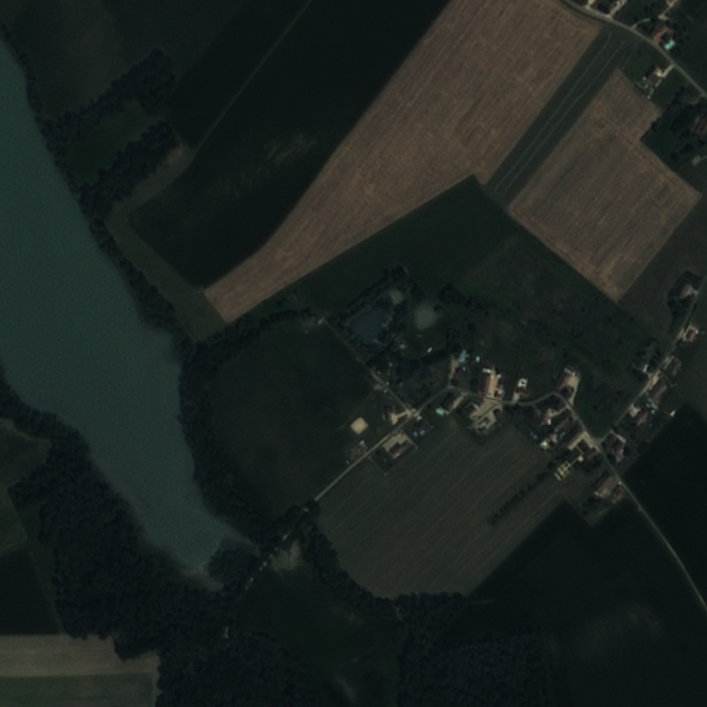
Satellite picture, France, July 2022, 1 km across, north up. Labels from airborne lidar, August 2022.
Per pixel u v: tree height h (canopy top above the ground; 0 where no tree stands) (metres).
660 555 0
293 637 0
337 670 0
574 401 0
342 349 0
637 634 0
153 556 7
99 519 29
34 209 0
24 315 0
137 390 0
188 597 18
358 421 0
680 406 0
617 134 0
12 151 0
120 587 26
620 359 0
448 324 0
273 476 0
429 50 0
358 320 0
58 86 0
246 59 0
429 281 0
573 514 0
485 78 0
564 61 0
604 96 0
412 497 0
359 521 0
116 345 0
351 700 0
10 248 0
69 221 0
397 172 0
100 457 0
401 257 0
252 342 17
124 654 14
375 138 0
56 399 0
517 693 20
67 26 0
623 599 0
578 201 0
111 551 21
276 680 29
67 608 24
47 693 0
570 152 0
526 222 0
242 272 0
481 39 0
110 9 0
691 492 0
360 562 0
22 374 0
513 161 0
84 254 0
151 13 0
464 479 0
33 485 13
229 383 0
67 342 0
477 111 0
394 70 0
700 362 0
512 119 0
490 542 0
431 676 24
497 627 0
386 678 0
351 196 0
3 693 0
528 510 0
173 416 0
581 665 0
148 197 0
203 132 0
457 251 0
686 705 0
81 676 0
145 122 0
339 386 0
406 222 0
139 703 0
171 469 0
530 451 0
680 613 0
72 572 25
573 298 0
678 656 0
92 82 0
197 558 0
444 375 0
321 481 0
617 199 0
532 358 0
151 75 24
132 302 0
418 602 17
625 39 0
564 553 0
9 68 0
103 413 0
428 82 0
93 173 0
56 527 24
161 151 25
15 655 0
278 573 0
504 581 0
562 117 0
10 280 0
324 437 0
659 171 0
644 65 0
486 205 0
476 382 9
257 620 0
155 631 8
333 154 0
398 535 0
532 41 0
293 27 0
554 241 0
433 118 0
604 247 0
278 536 18
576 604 0
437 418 0
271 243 0
